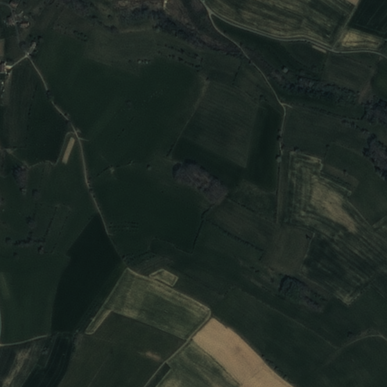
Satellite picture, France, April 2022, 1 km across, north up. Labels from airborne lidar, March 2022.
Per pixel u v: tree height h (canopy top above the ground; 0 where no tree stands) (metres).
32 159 0
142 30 0
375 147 27
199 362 0
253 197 0
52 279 0
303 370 0
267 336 0
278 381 0
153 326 0
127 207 0
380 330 0
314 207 0
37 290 0
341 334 0
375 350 0
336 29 0
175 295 0
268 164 0
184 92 0
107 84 0
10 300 0
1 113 0
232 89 0
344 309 0
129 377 0
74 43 0
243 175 0
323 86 17
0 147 0
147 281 0
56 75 0
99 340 0
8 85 0
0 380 0
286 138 0
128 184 0
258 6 0
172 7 0
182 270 0
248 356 0
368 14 0
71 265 0
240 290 0
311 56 0
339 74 0
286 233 0
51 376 0
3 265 0
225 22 0
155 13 8
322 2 0
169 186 0
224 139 0
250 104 0
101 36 0
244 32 0
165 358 0
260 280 0
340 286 0
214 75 0
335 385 0
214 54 0
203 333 0
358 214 0
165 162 0
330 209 0
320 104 0
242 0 0
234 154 0
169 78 0
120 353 0
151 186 0
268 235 0
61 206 0
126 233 0
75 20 0
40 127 0
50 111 0
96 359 0
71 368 0
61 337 0
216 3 0
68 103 0
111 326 0
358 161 0
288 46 0
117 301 0
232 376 0
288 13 0
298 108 0
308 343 0
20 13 0
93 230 0
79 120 0
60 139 0
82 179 0
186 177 30
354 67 0
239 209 0
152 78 0
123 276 0
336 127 0
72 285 0
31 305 0
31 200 0
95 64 0
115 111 0
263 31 0
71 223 0
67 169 0
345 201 0
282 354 0
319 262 0
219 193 32
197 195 0
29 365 0
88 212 0
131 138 0
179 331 0
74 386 0
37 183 0
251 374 0
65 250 0
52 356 0
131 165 0
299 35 0
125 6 0
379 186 0
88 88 0
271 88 0
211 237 0
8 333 0
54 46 0
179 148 0
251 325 0
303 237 0
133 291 0
